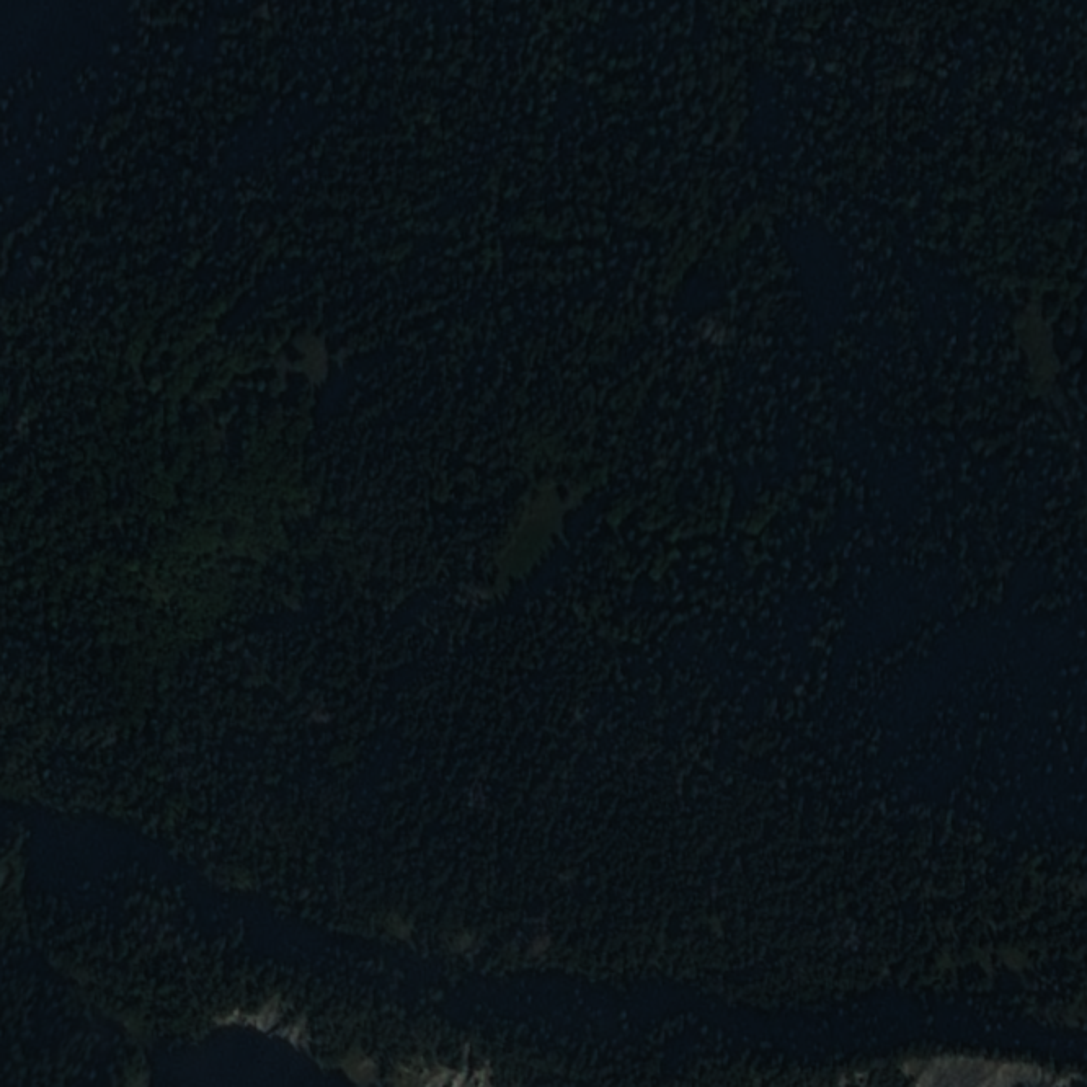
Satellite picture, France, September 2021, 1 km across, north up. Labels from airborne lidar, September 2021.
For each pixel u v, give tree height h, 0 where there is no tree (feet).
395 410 83
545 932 76
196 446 94
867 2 54
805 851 85
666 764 85
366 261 76
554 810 85
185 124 104
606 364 71
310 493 56
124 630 93
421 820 74
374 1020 26
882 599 31
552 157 93
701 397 66
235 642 83
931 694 41
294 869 52
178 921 29
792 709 49
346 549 50
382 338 75
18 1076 79
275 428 77
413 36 92
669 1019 31
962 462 28
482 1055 29
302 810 94
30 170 75
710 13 72
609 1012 41
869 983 61
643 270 105
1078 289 52
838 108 87
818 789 58
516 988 52
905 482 27
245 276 79
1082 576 45
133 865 47
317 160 54
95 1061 21
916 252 30
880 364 88
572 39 54
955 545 57
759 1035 29
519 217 62
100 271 103
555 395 96
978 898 75
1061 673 48
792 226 52
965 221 57
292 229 66
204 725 83
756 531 64
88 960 94
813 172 114
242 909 62
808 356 52
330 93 71
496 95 75
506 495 50
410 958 52
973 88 95
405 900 90
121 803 56
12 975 35
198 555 39
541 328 66
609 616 49
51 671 77
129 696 86
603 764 63
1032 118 67
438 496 62
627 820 80
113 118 75
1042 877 53
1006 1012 24
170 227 83
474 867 88
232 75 84
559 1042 95
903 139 91
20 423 95
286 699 76
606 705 59
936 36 100
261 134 87
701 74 116
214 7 78
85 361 59
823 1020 46
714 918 65
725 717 88
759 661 39
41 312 77
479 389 54
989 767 23
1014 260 54
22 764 60
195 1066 0
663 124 69
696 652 44
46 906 104
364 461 74
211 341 48
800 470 83
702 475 63
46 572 73
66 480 114
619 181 79
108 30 61
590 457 55
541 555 0
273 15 106
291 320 50
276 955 62
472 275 60
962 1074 0
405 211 67
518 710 59
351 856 89
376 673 71
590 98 71
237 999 54
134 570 52
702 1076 73
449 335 98
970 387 64
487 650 89
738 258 89
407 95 80
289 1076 51
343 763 37
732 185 76
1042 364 0
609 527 30
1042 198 48
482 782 86
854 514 52
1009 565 21
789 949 102
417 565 63
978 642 33
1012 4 83
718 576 50
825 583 73
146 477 88
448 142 78
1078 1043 31
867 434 64
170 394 61
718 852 101
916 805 31
